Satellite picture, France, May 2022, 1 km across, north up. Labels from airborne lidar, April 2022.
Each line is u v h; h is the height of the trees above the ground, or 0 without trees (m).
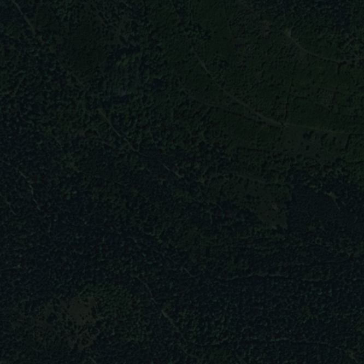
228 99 9
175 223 15
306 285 21
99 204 17
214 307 35
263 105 9
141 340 29
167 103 22
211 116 11
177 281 36
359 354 23
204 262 20
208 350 11
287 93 8
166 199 22
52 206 10
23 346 13
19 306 25
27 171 16
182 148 23
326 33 14
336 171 19
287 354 16
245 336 26
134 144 20
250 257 26
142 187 14
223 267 19
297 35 7
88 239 33
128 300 26
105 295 31
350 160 11
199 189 9
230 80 6
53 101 19
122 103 26
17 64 10
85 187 9
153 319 39
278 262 20
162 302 30
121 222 34
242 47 9
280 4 17
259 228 26
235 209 26
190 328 24
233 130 9
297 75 7
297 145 0
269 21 10
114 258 38
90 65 13
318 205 33
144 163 27
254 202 12
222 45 11
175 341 31
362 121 11
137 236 42
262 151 11
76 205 36
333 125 9
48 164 37
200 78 7
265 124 11
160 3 13
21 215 30
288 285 28
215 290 7
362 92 10
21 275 19
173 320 35
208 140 7
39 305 26
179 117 19
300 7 11
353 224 32
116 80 18
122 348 29
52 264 34
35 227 34
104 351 26
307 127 9
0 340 26
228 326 28
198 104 11
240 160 8
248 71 10
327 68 8
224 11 8
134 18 23
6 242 30
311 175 14
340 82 10
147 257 35
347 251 9
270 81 7
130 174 26
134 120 19
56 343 8
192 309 31
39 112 24
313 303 19
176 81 28
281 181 18
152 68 18
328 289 22
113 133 15
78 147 17
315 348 15
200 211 22
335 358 15
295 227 33
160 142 25
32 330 9
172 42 11
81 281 30
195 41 15
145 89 17
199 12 8
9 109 11
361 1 11
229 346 15
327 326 17
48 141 11
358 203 26
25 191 30
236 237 15
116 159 24
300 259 19
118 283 41
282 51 8
